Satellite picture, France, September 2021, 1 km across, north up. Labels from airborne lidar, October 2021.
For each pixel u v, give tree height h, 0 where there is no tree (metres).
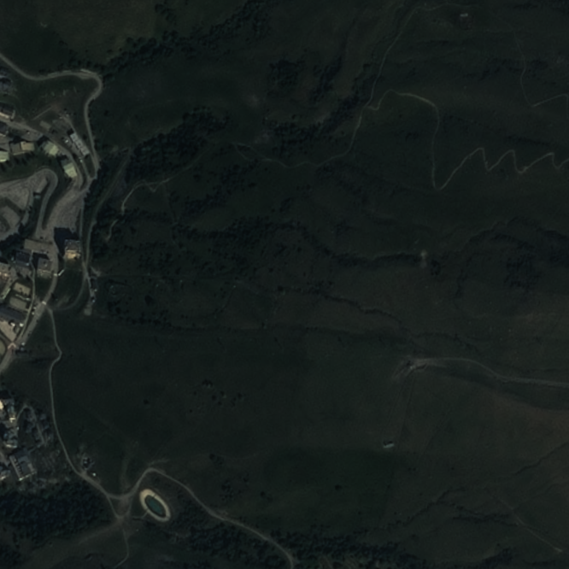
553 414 0
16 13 0
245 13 9
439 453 0
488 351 0
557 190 0
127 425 0
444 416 0
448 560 0
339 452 0
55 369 0
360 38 0
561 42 0
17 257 0
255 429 0
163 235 0
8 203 0
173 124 0
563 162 0
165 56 7
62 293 0
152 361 0
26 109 0
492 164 0
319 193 0
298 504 0
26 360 0
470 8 0
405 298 0
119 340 0
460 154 0
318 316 0
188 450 0
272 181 0
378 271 0
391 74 0
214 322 0
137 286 0
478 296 0
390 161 0
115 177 0
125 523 0
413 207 0
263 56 0
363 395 0
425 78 0
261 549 12
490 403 0
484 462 0
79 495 8
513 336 0
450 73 0
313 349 0
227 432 0
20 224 0
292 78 12
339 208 0
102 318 0
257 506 0
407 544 0
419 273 0
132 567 0
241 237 6
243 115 0
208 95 0
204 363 0
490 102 0
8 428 0
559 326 0
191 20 0
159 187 0
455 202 0
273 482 0
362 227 0
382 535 0
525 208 0
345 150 0
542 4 0
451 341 0
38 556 0
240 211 0
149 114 0
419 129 0
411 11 0
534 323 0
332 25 0
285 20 0
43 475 0
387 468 0
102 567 0
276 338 0
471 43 0
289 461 0
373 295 0
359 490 0
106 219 12
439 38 0
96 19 0
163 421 0
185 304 0
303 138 8
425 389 0
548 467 0
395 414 0
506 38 0
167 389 0
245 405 0
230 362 0
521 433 0
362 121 0
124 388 0
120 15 0
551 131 0
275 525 0
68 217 0
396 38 0
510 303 0
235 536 7
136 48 11
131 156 0
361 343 0
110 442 0
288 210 6
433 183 0
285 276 0
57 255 0
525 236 0
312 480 0
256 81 0
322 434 0
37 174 0
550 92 0
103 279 0
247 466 0
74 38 0
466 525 0
